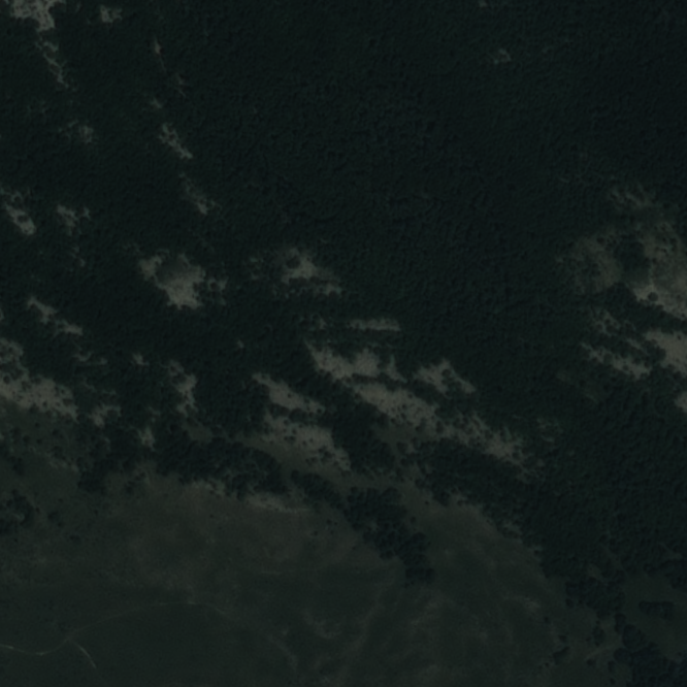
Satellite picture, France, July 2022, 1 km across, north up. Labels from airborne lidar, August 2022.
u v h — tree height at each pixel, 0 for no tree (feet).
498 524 18
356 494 51
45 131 59
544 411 35
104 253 73
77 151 51
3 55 51
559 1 61
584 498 29
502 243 46
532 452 21
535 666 0
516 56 32
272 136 62
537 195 49
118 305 64
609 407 37
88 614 0
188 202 25
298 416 47
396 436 0
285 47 53
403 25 71
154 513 0
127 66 42
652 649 40
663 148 73
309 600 0
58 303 37
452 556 0
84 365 22
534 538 24
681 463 63
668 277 0
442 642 0
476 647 0
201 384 50
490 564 0
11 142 46
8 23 46
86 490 25
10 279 59
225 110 45
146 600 0
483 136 65
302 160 63
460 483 38
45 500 0
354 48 47
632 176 40
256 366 53
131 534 0
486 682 0
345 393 26
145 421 21
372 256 47
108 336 67
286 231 43
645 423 83
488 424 34
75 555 0
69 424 29
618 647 0
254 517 0
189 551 0
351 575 0
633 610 0
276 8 45
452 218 71
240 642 0
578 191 34
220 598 0
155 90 44
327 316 31
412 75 63
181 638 0
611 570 50
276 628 0
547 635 0
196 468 51
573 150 34
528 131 41
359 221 65
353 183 72
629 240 45
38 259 44
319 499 24
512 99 36
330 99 34
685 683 56
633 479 70
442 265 55
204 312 51
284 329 73
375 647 0
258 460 36
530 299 63
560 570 45
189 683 0
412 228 71
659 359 30
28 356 29
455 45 52
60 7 28
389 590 0
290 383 26
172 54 58
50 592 0
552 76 43
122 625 0
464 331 71
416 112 57
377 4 54
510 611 0
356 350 22
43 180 52
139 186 53
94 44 55
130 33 30
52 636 0
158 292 30
